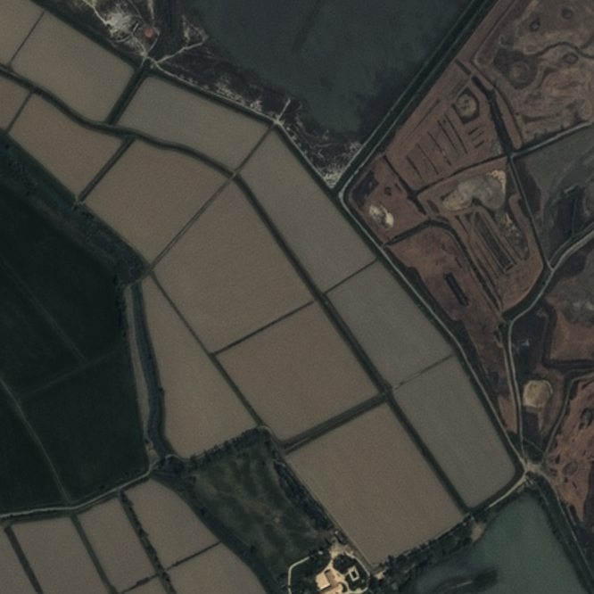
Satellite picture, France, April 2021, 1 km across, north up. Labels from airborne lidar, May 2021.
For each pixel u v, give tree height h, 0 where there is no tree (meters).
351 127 0
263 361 0
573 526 0
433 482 0
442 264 0
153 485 0
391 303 0
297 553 0
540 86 0
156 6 0
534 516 0
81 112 0
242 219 0
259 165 0
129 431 0
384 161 0
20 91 0
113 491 0
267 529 0
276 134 0
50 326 0
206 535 0
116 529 0
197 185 0
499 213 0
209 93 0
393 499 0
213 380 0
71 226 0
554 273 0
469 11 0
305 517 0
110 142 0
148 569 0
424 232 0
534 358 0
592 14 0
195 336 0
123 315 10
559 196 0
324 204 0
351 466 0
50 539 0
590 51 0
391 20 0
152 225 0
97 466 0
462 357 0
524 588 0
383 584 14
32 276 0
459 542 8
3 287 0
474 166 0
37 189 6
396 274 0
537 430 0
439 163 0
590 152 0
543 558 0
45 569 0
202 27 0
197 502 8
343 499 0
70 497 0
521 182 0
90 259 0
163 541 0
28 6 0
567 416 0
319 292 0
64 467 0
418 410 0
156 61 0
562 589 0
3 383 0
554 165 0
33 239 0
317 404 0
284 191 0
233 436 0
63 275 0
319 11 0
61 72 0
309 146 0
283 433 0
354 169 0
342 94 0
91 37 0
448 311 0
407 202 0
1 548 0
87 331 0
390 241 0
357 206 0
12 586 0
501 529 0
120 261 6
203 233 0
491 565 0
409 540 0
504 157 0
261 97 0
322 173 0
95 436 0
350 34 0
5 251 0
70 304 0
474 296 0
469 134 0
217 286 0
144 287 0
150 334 0
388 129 0
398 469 0
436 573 0
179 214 0
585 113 0
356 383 0
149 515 0
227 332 0
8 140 0
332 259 0
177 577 0
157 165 0
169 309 0
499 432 0
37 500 0
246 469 0
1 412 0
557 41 0
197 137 0
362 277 0
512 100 0
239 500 0
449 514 0
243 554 7
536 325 0
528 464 0
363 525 0
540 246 0
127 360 0
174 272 0
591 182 0
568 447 0
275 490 0
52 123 0
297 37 0
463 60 0
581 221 0
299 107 0
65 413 0
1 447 0
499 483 0
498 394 0
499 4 0
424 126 0
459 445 0
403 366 0
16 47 0
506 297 0
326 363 0
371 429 0
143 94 0
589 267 0
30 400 0
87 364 0
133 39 0
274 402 0
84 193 0
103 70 0
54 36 0
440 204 0
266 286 0
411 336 0
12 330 0
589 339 0
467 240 0
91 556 0
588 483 0
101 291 0
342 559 12
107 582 0
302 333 0
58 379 0
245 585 0
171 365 0
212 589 0
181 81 0
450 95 0
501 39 0
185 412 0
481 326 0
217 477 0
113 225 0
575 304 0
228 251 0
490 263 0
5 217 0
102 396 0
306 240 0
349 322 0
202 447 0
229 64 0
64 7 0
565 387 0
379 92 0
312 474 0
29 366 0
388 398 0
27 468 0
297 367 0
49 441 0
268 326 0
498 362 0
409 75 0
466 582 0
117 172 0
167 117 0
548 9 0
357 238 0
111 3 0
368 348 0
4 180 6
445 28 0
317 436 0
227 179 0
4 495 0
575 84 0
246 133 0
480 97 0
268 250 0
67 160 0
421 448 0
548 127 0
